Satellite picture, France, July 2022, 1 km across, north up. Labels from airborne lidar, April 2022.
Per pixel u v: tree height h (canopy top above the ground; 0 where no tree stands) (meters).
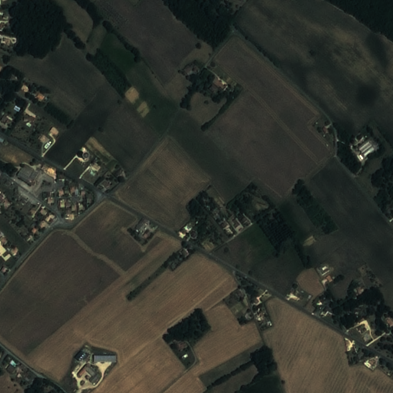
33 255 0
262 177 0
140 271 0
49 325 0
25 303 0
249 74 0
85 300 0
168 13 0
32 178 0
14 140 0
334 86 0
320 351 0
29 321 0
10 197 0
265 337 0
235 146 0
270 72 0
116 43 0
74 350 0
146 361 0
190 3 15
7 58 7
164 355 0
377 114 0
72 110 0
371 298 14
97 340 0
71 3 0
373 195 0
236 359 0
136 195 0
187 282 0
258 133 0
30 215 5
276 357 0
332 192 0
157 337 0
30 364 0
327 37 0
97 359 0
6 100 19
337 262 0
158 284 0
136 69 0
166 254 0
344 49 0
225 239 0
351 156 6
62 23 19
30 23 20
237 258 0
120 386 0
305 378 0
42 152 0
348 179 0
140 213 0
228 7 18
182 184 0
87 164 0
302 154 0
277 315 0
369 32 0
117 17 0
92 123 0
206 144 0
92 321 0
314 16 0
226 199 0
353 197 0
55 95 0
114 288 0
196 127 0
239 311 0
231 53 0
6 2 0
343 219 0
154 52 0
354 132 0
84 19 0
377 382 0
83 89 0
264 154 0
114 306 0
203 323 19
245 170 0
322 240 0
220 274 0
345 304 16
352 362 5
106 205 0
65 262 0
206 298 0
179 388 0
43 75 0
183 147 0
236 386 0
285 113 0
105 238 0
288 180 0
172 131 0
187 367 0
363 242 0
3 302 0
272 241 16
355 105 0
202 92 9
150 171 0
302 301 0
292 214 0
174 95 0
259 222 16
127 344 0
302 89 0
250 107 0
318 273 0
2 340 0
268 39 0
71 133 0
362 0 18
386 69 0
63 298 0
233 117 0
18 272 0
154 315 0
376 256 0
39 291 0
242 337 0
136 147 0
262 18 0
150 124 0
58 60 0
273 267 0
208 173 0
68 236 0
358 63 0
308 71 0
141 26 0
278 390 0
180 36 0
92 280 0
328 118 0
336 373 0
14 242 0
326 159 0
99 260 0
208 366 0
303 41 0
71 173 0
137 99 0
